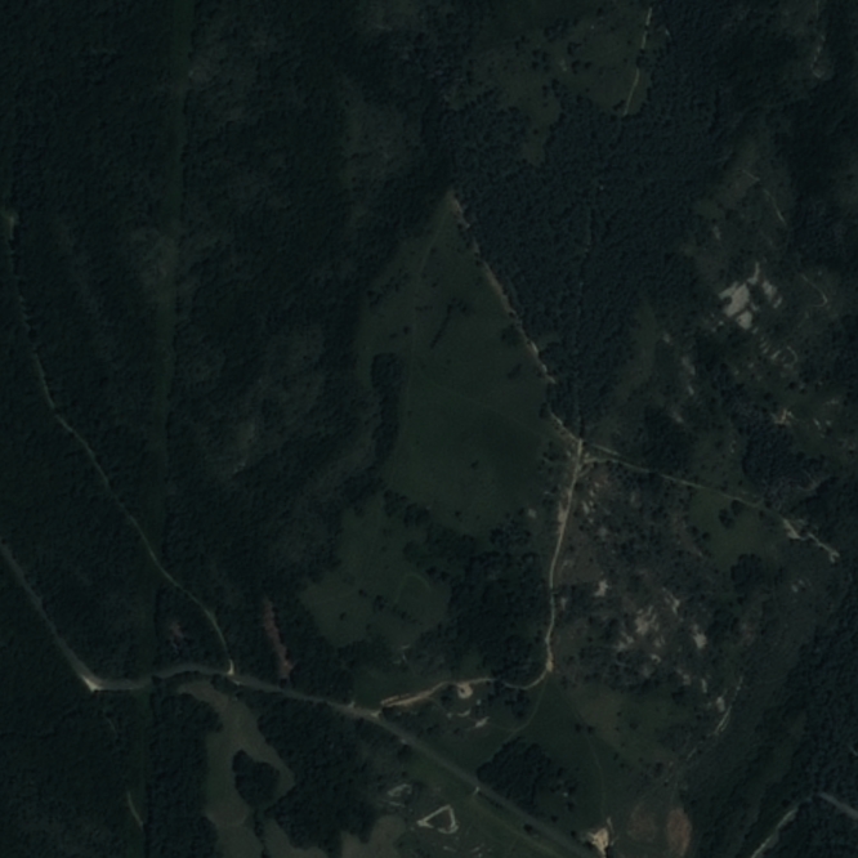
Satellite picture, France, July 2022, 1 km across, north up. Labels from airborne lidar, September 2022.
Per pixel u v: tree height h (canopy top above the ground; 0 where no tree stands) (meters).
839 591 10
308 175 17
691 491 11
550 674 0
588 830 0
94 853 6
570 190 20
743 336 7
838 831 10
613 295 15
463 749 0
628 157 19
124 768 16
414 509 10
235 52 9
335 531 9
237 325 13
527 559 12
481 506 0
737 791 12
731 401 18
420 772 0
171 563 19
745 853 7
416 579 0
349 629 0
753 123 7
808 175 14
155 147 23
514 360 0
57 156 14
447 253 0
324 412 6
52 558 7
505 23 0
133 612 7
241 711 0
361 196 7
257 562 16
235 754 0
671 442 17
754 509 0
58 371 18
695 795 5
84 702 19
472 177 18
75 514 18
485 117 18
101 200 15
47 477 15
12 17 19
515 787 19
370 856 0
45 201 13
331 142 12
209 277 11
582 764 0
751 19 9
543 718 0
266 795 14
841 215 10
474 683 0
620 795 0
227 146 14
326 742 13
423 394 0
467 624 12
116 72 18
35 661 16
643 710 0
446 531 7
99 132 15
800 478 19
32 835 7
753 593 10
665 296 17
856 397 8
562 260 17
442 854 0
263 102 11
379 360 13
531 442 0
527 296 16
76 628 16
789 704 9
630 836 0
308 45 13
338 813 10
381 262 11
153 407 8
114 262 17
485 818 0
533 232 17
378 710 0
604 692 0
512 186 18
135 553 18
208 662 14
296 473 11
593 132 14
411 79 7
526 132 16
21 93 16
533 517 0
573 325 17
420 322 0
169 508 7
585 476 0
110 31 16
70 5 15
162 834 22
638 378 0
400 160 6
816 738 16
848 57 10
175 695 7
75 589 12
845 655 25
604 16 11
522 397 0
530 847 0
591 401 18
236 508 11
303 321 12
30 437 15
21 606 17
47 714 16
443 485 0
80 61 18
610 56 0
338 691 12
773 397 11
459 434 0
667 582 6
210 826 27
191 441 12
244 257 12
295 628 17
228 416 6
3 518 17
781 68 7
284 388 7
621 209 15
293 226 7
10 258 23
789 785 14
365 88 9
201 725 25
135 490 19
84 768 16
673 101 15
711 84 17
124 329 12
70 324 15
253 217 14
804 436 0
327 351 9
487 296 0
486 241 15
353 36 9
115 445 19
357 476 6
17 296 25
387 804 0
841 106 14
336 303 6
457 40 10
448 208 0
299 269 12
